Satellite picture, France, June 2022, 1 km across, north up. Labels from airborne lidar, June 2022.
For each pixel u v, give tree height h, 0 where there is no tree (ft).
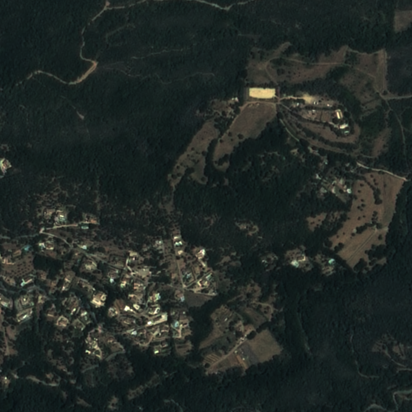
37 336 20
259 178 61
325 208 31
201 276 19
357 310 35
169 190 26
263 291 43
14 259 22
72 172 28
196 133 22
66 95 18
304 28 23
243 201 65
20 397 36
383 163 35
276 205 29
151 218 25
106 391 31
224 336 0
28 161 49
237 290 23
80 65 28
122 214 31
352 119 28
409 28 27
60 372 37
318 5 19
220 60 21
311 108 28
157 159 40
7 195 40
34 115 36
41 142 23
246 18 28
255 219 20
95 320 25
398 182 0
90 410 56
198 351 49
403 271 47
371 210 0
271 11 26
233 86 35
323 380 35
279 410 41
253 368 41
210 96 33
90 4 22
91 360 25
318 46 32
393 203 0
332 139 0
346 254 0
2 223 45
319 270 55
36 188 34
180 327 0
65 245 34
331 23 22
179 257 40
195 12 20
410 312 19
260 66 0
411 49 0
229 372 55
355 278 39
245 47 33
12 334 0
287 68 0
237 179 48
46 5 35
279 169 45
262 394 38
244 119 0
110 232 25
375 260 33
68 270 21
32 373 53
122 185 53
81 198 42
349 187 25
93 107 17
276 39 24
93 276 28
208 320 64
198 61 18
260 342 0
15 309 28
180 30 20
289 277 61
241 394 39
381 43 36
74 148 37
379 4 19
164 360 45
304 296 41
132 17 32
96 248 26
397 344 30
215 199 60
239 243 40
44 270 43
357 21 26
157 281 44
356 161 34
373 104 0
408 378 24
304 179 38
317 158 37
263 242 37
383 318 19
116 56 19
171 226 43
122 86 21
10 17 20
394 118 31
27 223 47
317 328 25
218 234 35
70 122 25
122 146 20
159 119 40
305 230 39
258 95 0
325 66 0
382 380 29
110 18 30
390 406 51
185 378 36
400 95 40
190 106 27
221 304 50
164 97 21
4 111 34
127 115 32
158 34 28
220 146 0
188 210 29
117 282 42
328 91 28
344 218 36
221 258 40
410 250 36
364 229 46
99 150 42
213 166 44
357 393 32
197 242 50
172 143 36
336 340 37
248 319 19
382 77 0
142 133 58
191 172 35
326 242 45
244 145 50
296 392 28
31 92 28
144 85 35
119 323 21
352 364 43
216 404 38
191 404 23
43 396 49
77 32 31
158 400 69
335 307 32
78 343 30
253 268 58
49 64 26
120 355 26
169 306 52
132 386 57
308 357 79
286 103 23
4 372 48
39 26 29
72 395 35
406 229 23
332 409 29
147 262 36
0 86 36
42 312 40
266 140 64
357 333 29
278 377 52
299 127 35
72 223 32
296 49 29
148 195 36
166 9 33
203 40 32
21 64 27
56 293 39
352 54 18
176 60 29
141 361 53
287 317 46
